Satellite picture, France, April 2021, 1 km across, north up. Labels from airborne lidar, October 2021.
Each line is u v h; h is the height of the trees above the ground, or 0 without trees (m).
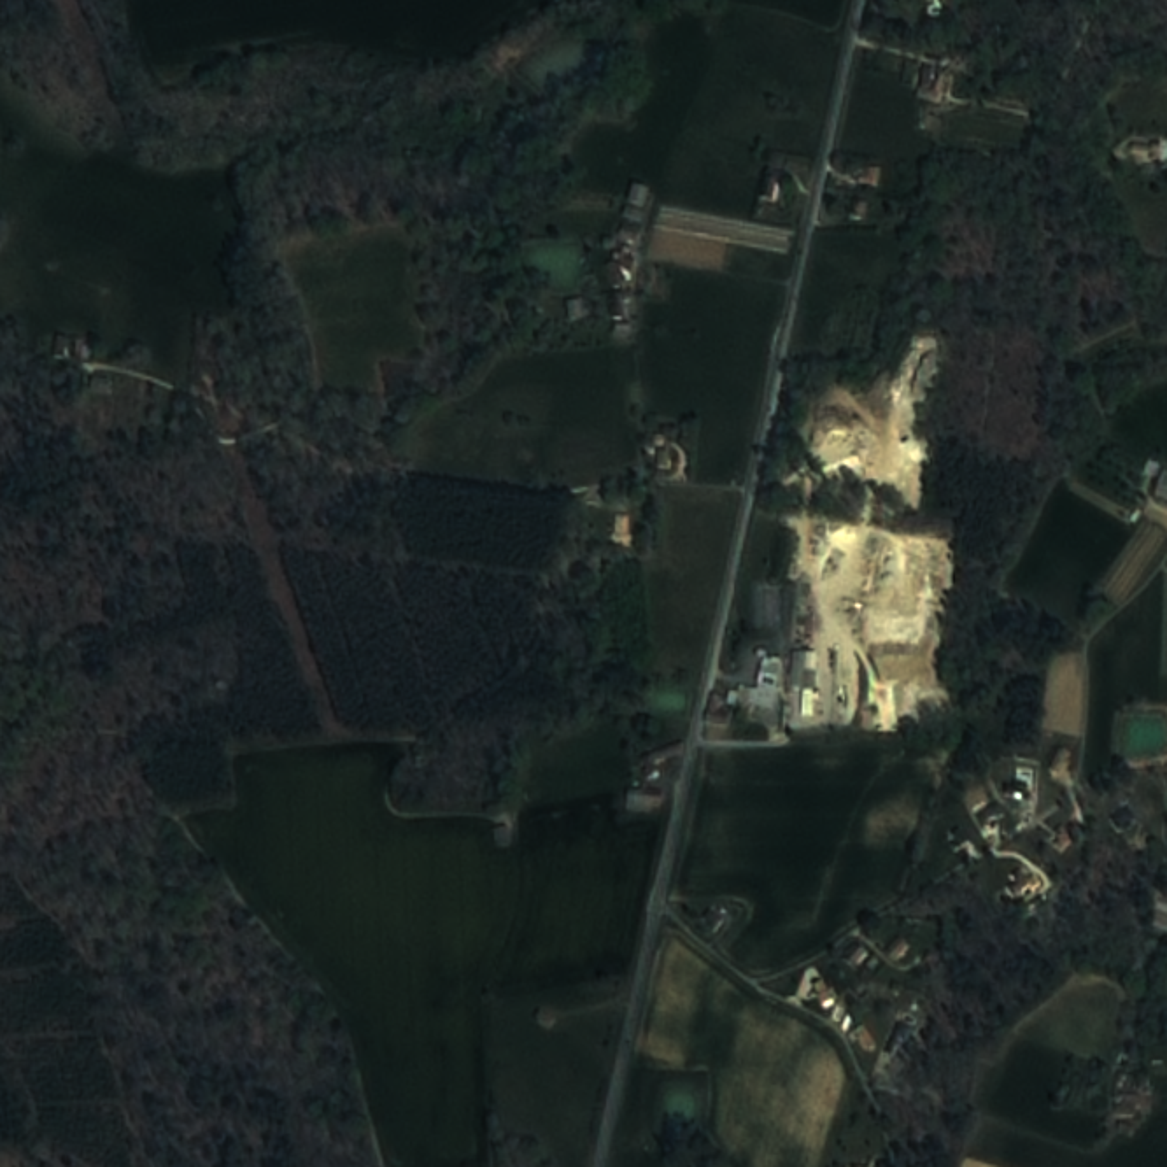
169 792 18
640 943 0
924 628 0
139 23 0
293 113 11
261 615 17
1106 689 0
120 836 15
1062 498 0
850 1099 0
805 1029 0
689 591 0
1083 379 25
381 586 18
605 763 0
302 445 18
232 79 24
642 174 0
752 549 0
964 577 13
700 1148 26
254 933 18
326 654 16
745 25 0
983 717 15
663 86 0
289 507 14
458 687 15
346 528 16
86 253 0
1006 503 17
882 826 0
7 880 9
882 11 22
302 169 14
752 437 0
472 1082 0
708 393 0
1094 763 0
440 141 12
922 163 10
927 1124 8
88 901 14
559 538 18
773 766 0
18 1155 16
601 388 0
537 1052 0
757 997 0
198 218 0
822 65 0
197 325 9
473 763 12
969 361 16
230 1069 12
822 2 0
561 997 0
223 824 0
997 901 0
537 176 20
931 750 16
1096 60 11
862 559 0
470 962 0
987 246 10
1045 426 20
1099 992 0
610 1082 0
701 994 0
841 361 13
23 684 18
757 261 0
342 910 0
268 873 0
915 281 8
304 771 0
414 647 13
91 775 13
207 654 12
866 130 0
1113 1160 0
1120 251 17
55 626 11
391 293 0
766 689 0
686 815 0
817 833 0
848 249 0
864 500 22
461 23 0
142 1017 19
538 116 20
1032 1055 0
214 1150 8
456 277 7
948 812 0
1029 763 0
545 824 0
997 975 16
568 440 0
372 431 20
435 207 10
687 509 0
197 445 17
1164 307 13
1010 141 0
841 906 0
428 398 14
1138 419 0
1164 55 15
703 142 0
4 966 7
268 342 14
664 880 0
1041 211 19
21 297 0
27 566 8
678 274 0
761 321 0
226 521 8
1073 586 0
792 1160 0
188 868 18
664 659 0
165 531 13
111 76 19
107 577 15
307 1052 18
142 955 18
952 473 16
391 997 0
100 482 13
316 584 16
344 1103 21
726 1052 0
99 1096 8
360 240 0
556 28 15
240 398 21
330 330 0
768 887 0
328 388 0
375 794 0
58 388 7
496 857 0
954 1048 10
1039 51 14
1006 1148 0
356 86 16
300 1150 11
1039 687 14
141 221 0
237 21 0
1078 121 17
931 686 0
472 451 0
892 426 0
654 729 13
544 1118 0
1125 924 12
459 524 22
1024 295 17
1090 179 18
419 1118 0
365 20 0
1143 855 9
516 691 18
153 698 9
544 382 0
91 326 0
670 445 7
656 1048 0
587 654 8
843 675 0
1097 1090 9
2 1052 6
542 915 0
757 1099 0
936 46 19
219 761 20
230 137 18
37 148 0
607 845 0
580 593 13
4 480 7
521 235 10
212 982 16
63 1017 9
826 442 0
